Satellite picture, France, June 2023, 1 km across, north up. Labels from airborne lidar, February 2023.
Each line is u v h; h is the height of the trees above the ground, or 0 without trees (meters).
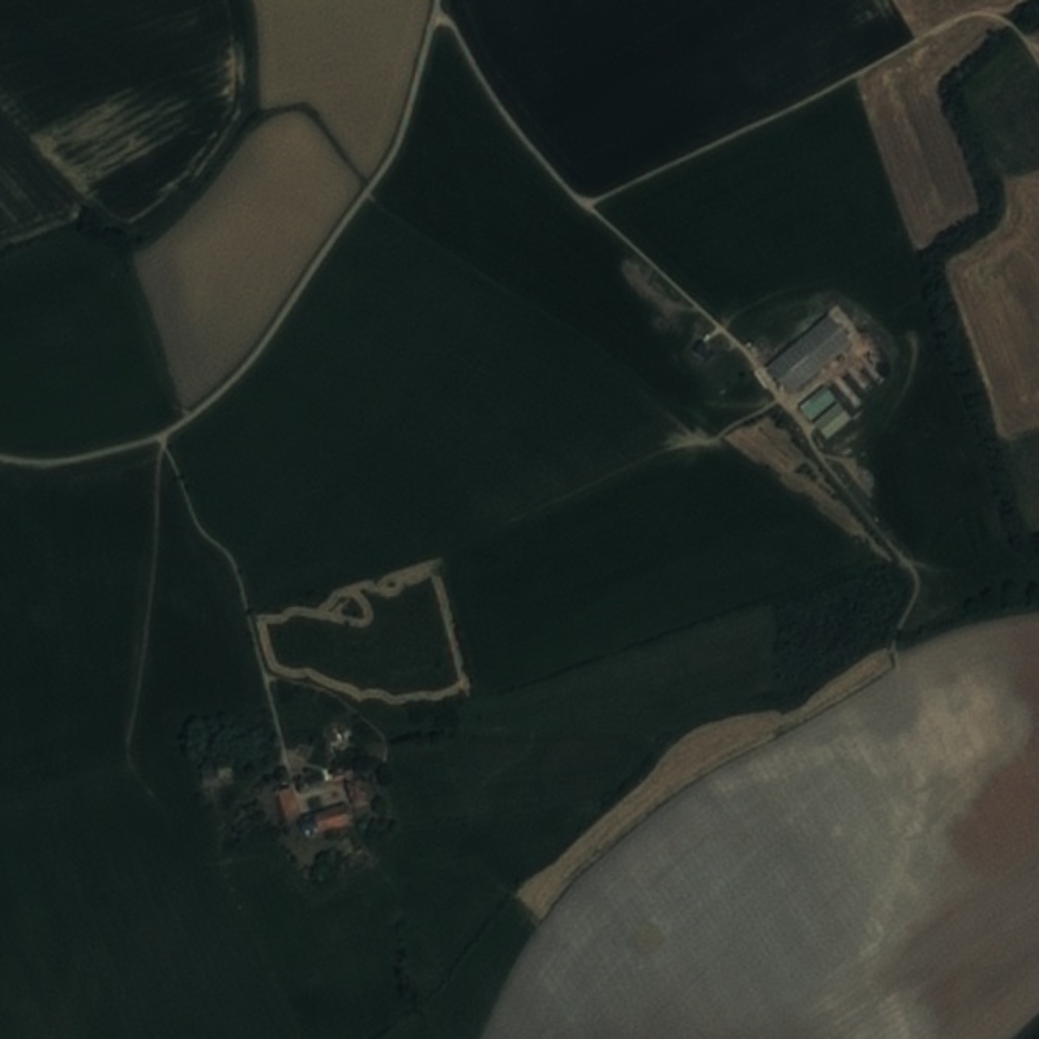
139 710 0
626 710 0
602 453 0
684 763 0
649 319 0
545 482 0
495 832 0
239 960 0
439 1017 0
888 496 0
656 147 0
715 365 0
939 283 12
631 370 0
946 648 0
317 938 0
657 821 0
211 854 0
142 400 0
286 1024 0
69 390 0
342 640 0
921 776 0
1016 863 0
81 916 0
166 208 0
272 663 0
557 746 0
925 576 0
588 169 0
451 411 0
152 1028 0
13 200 0
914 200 0
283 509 0
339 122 0
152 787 0
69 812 0
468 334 0
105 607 0
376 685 0
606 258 0
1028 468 0
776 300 0
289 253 0
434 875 0
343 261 0
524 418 0
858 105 0
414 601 0
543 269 0
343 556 0
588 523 0
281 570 0
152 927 0
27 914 0
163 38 0
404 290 0
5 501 0
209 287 0
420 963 0
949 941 0
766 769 0
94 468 0
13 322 0
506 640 0
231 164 0
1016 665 0
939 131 0
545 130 0
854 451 0
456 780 0
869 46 0
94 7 0
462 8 0
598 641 0
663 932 0
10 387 0
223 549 0
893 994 0
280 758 0
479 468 0
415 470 0
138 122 0
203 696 0
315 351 0
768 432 0
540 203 0
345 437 0
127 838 0
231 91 0
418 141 0
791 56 0
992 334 0
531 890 0
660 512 0
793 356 0
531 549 0
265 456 0
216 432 0
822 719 0
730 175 0
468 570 0
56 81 0
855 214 0
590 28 0
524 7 0
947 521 0
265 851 0
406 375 0
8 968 0
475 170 0
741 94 0
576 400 0
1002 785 0
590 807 0
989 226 14
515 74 0
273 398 0
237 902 0
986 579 0
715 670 0
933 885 0
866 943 0
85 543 0
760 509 0
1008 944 0
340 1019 0
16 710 0
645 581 0
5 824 0
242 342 0
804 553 0
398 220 0
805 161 0
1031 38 0
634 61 0
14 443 0
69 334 0
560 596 0
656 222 0
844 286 0
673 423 0
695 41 0
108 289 0
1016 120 0
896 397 0
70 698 0
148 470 0
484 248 0
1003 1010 0
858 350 0
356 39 0
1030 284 0
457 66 0
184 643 0
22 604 0
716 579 0
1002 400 0
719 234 0
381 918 0
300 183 0
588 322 0
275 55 0
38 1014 0
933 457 0
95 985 0
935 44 0
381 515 0
